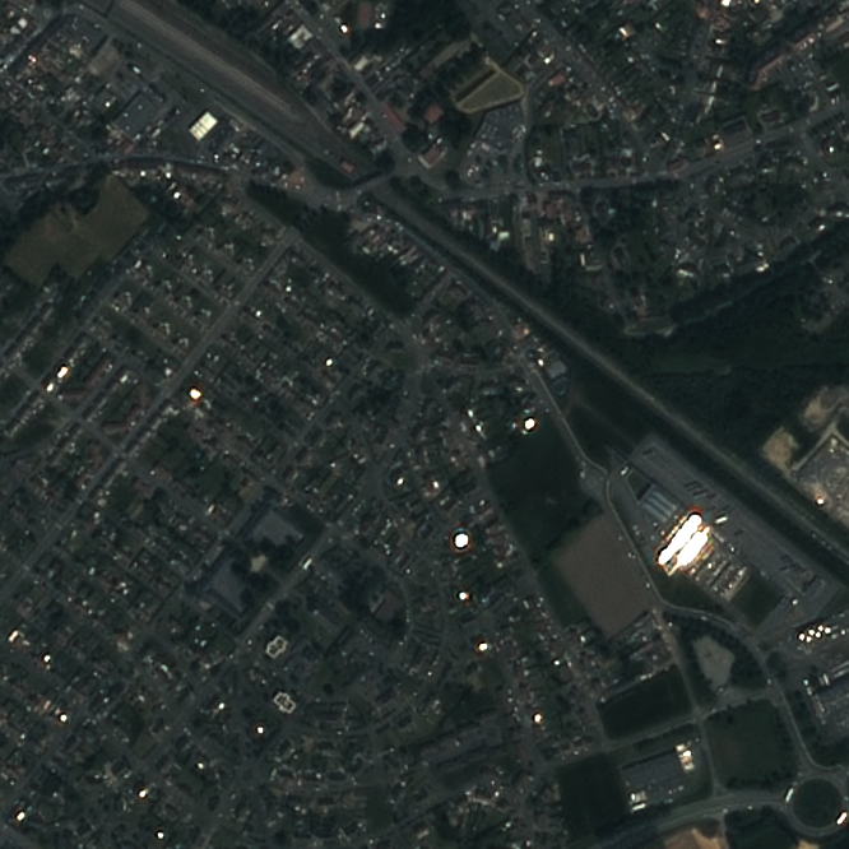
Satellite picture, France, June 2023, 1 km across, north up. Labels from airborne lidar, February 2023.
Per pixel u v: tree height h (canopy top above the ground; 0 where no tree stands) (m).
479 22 0
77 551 0
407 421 0
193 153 0
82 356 0
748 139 0
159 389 0
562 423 0
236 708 0
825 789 0
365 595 17
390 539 0
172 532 8
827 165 0
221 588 0
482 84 0
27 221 13
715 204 0
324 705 0
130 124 0
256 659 0
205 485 0
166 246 0
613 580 0
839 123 0
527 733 0
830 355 0
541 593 0
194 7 7
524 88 0
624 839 0
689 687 0
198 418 0
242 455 0
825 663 0
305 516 0
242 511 0
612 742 0
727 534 0
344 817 0
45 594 0
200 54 0
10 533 0
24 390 0
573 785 0
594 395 0
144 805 0
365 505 0
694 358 0
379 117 0
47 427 0
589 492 0
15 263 0
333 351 0
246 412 0
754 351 0
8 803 0
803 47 0
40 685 0
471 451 0
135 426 0
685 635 7
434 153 0
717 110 8
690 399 6
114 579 6
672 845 0
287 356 0
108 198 0
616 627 0
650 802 0
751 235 0
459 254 0
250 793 0
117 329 0
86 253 0
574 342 0
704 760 0
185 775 0
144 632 0
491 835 6
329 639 0
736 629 0
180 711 0
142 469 0
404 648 0
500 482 0
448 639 0
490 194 0
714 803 0
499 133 0
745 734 0
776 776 11
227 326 0
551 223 0
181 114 0
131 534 0
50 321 0
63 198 11
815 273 9
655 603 0
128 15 0
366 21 0
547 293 10
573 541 0
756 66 0
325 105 0
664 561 0
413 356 0
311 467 0
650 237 0
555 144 0
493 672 0
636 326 0
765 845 0
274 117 0
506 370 0
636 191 8
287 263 0
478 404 0
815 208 0
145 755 0
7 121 9
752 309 11
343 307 0
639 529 0
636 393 0
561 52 0
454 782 0
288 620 17
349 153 0
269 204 0
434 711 0
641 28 10
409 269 13
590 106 7
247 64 0
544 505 0
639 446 0
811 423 0
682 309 12
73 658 0
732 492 0
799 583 0
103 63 0
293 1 0
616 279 8
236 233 0
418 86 0
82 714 0
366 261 0
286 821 0
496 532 0
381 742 0
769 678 0
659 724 0
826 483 0
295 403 0
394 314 0
